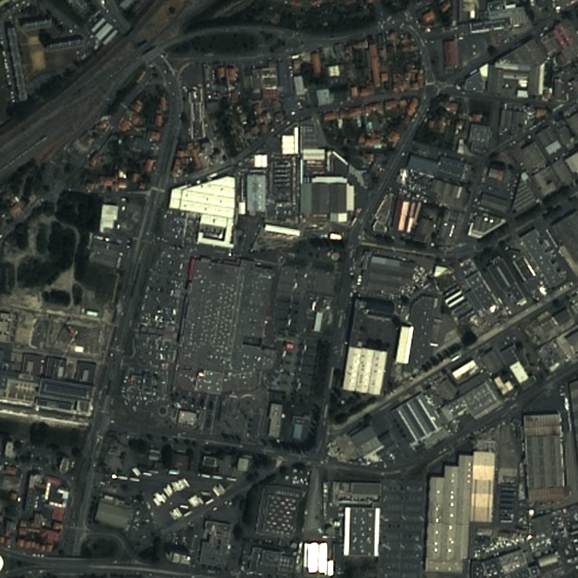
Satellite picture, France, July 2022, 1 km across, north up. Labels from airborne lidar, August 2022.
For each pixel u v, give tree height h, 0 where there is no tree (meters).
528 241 0
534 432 0
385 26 0
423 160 0
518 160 0
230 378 0
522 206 0
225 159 7
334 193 0
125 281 0
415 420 0
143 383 0
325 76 12
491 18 0
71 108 0
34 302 0
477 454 0
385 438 0
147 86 0
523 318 0
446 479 0
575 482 0
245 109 8
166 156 0
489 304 0
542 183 0
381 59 6
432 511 0
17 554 0
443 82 0
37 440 14
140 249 0
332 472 0
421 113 0
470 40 0
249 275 0
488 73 0
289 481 0
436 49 0
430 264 0
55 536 0
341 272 0
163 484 0
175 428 0
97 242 0
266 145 0
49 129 0
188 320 0
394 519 0
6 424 0
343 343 0
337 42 0
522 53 0
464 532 0
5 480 0
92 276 0
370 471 0
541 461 0
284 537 0
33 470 0
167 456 20
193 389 0
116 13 0
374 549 0
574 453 0
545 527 0
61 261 7
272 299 0
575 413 0
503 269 0
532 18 9
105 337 0
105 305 0
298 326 0
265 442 16
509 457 0
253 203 0
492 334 0
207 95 0
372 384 0
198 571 0
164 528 0
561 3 0
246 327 0
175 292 0
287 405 0
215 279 0
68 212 12
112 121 0
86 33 0
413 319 0
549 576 0
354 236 0
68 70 11
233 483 0
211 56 0
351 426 0
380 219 0
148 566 0
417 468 0
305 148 0
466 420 0
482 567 0
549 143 0
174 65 0
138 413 0
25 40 0
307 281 0
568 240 0
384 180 0
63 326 0
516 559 0
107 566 0
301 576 0
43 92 20
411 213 0
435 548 0
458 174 0
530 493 0
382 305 0
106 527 0
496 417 0
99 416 0
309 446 22
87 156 0
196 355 0
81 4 0
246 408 0
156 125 6
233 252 0
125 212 0
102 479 0
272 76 0
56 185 0
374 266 0
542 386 0
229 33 0
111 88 0
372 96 0
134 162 8
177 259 0
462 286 0
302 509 0
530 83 0
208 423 6
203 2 0
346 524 0
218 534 0
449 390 0
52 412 0
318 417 20
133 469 0
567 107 0
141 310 0
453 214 0
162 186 0
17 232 5
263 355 0
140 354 0
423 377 0
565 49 0
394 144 0
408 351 0
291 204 0
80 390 0
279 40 6
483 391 0
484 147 7
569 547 0
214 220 0
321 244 21
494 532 0
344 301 0
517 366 0
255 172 0
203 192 0
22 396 0
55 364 0
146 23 0
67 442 0
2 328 0
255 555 0
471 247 0
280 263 0
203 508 0
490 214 0
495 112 0
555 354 0
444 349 0
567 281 0
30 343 0
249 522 15
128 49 0
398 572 0
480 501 0
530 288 0
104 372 0
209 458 0
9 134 0
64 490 0
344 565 7
